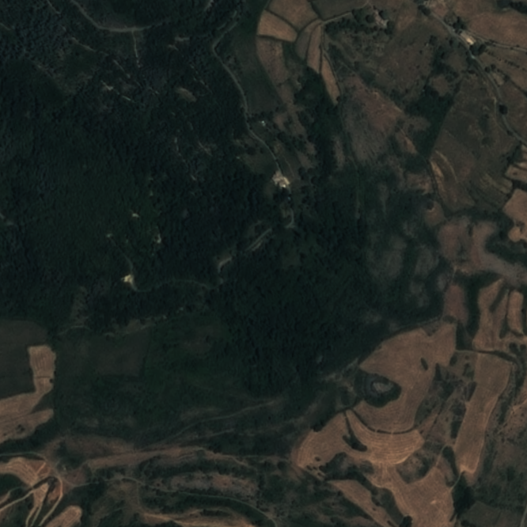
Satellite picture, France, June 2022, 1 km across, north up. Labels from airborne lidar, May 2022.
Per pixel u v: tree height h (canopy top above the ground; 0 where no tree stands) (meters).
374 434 0
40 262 15
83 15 6
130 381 0
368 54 0
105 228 13
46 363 0
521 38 0
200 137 8
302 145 6
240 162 9
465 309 0
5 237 18
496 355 0
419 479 0
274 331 14
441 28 0
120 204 19
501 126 0
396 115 0
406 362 0
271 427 0
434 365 0
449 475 0
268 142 7
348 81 0
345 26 13
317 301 14
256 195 13
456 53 0
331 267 8
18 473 0
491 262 0
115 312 11
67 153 16
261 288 7
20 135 12
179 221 13
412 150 0
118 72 7
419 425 0
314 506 0
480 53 10
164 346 7
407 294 0
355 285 6
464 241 0
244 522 0
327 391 0
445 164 0
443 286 0
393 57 0
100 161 18
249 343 16
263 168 0
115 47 6
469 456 0
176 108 11
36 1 10
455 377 0
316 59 0
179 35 8
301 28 0
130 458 0
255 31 0
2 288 7
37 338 0
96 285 18
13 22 13
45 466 0
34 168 11
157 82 18
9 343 0
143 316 13
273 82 0
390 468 0
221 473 9
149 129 11
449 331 0
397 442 0
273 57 0
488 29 0
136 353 0
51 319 7
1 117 19
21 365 0
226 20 8
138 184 22
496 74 0
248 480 0
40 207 14
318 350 9
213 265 12
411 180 0
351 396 0
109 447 0
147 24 7
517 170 0
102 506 0
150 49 11
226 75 10
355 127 0
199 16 13
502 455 0
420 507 0
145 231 18
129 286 15
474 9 0
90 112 9
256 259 12
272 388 10
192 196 12
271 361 11
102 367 0
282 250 15
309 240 10
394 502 0
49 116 29
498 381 0
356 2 0
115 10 7
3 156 13
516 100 0
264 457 0
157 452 0
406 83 0
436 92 8
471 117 0
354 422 0
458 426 0
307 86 9
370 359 0
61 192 16
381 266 0
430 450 0
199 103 8
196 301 6
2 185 10
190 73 11
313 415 0
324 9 0
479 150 0
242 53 0
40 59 12
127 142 19
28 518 0
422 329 0
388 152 0
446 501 0
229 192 21
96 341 0
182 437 0
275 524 0
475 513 0
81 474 0
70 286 8
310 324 7
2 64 21
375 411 0
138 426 0
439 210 0
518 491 0
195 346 0
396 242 0
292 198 13
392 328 0
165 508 8
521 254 0
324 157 13
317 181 15
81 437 0
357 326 7
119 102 15
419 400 0
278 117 0
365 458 0
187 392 7
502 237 11
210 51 9
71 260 21
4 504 0
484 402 0
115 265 10
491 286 0
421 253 0
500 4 0
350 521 0
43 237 12
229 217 14
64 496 0
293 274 8
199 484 0
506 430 0
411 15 0
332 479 8
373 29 14
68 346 0
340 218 9
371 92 0
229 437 6
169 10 13
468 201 0
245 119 9
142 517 0
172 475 0
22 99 22
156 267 11
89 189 17
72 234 16
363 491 0
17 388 0
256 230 7
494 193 0
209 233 15
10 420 0
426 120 0
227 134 9
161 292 10
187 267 10
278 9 0
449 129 0
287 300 7
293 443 0
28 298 7
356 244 10
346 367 0
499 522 0
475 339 0
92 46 11
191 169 11
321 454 0
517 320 0
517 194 0
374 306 6
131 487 0
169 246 14
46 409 0
